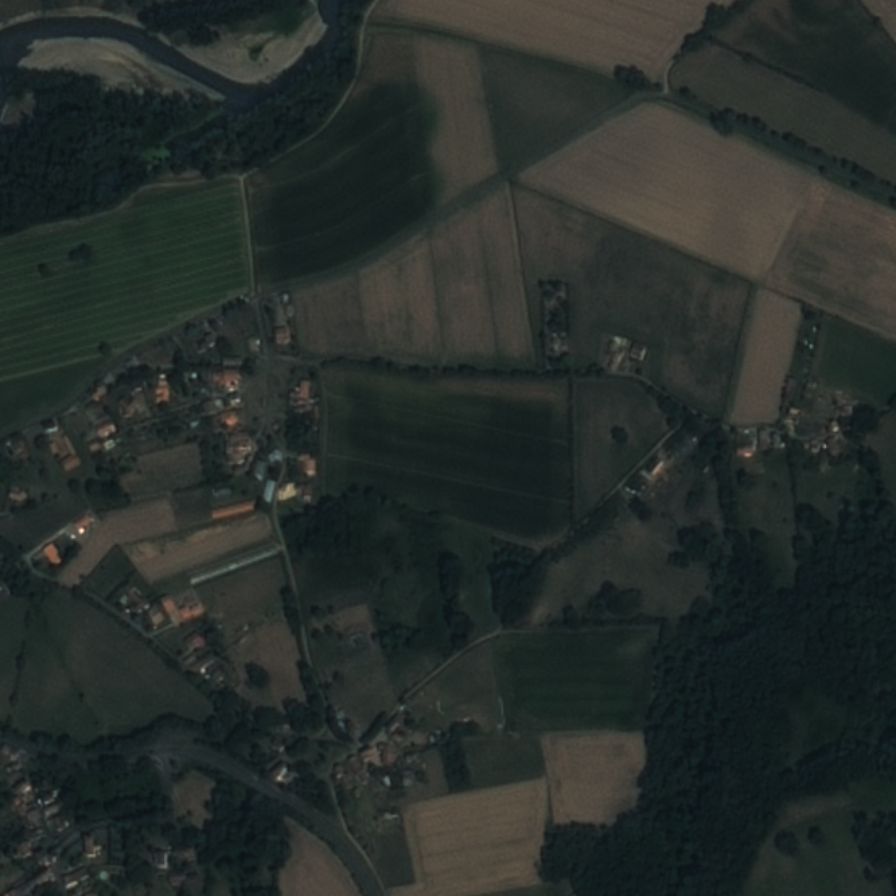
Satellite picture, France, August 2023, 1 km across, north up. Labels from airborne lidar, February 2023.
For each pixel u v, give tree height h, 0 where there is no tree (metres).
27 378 0
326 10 0
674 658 8
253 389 0
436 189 0
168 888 0
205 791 0
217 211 0
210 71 0
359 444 0
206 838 23
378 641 11
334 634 16
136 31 0
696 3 0
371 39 0
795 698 23
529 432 0
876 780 7
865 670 29
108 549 0
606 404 0
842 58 0
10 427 0
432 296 0
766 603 17
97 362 0
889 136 0
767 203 0
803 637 28
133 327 0
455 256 0
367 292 0
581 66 0
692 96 13
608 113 0
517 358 0
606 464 0
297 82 20
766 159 0
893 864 26
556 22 0
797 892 0
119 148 17
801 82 7
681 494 0
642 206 0
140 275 0
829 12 0
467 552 0
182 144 0
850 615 26
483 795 0
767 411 0
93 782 0
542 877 9
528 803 0
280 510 0
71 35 0
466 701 0
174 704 0
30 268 0
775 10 0
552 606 0
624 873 24
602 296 0
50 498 10
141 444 0
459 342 0
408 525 0
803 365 0
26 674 0
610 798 0
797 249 0
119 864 8
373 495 18
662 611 0
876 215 0
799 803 22
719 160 0
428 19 0
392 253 0
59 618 0
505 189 0
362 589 0
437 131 0
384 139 0
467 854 0
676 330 0
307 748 9
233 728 9
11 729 11
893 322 0
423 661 0
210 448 10
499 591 12
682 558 13
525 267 0
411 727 15
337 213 0
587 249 0
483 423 0
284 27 0
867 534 25
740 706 27
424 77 0
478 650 0
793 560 0
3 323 0
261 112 22
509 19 0
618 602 16
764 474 0
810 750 0
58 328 0
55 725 0
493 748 0
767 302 0
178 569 0
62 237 0
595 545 0
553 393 0
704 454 10
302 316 0
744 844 15
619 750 0
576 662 0
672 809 13
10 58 0
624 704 0
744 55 7
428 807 0
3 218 13
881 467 14
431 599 0
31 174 15
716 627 21
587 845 17
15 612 0
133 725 0
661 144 0
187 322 0
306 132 10
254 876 24
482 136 0
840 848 0
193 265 0
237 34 0
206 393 0
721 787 25
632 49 0
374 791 0
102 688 0
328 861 0
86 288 0
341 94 0
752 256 0
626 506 0
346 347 0
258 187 0
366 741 9
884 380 0
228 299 0
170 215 0
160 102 28
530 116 0
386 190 0
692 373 0
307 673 20
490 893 0
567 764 0
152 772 14
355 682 0
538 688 0
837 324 0
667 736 27
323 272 0
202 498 0
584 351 0
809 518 24
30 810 0
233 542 0
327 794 13
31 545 0
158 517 0
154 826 21
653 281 0
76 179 19
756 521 0
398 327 0
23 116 0
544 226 0
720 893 24
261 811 22
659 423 0
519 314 0
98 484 13
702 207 0
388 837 0
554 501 0
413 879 0
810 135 0
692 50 12
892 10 0
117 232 0
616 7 0
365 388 0
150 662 0
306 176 0
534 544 0
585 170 0
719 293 0
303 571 0
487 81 0
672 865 33
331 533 19
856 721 6
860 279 0
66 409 0
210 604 0
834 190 0
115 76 0
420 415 0
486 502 0
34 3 0
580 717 0
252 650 0
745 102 0
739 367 0
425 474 0
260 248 0
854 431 7
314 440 10
